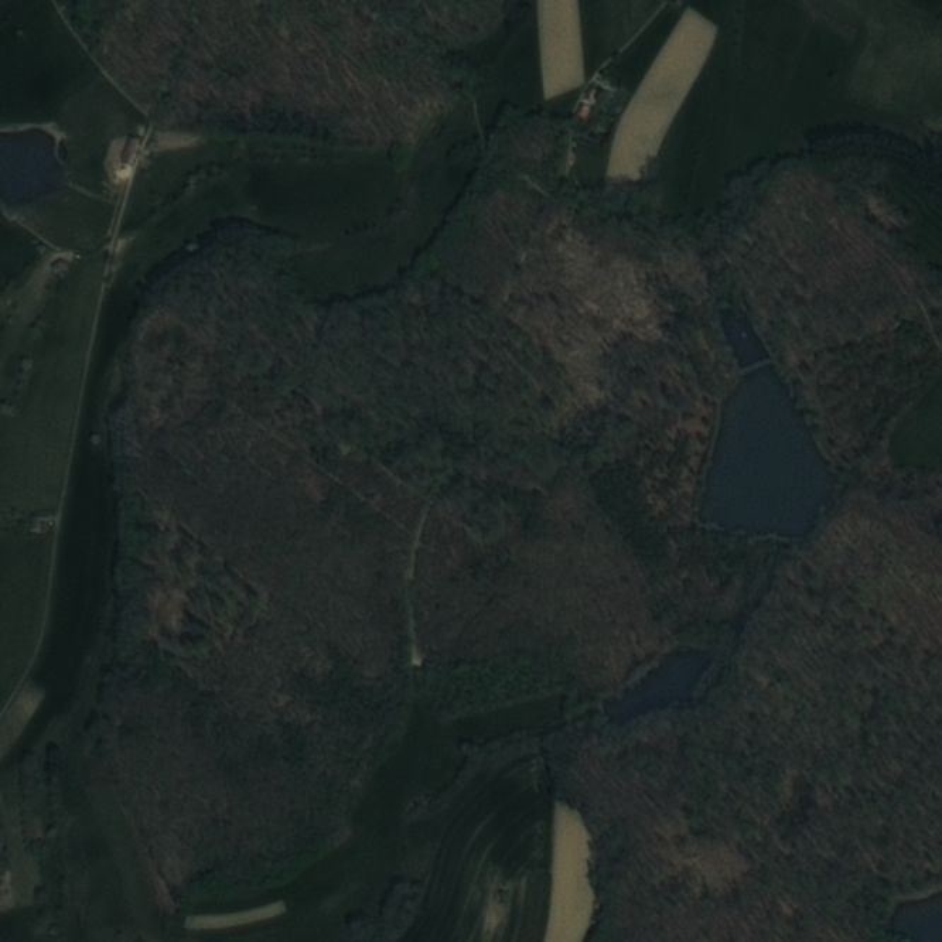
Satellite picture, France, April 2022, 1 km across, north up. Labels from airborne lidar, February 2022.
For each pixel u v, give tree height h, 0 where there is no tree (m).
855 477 10
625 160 0
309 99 22
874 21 0
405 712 9
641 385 23
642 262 0
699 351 29
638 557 11
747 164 0
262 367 30
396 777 0
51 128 0
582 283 0
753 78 0
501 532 31
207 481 11
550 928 0
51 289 10
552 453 25
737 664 19
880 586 0
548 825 0
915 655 21
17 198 0
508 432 26
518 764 0
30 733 0
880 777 30
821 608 26
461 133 0
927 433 0
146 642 6
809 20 0
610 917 20
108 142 0
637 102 0
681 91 0
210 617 9
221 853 20
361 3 26
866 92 0
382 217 0
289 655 8
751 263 24
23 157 0
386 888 0
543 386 28
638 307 0
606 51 0
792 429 0
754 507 0
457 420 31
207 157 0
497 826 0
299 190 0
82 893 0
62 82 0
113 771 12
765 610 23
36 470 0
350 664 10
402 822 0
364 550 11
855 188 24
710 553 11
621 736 29
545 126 19
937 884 23
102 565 0
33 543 0
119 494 17
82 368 0
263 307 26
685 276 0
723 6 0
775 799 27
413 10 28
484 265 15
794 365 27
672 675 0
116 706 24
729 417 0
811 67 0
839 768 27
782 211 20
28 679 0
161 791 15
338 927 0
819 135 0
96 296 0
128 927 0
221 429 12
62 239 0
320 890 0
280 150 6
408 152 16
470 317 28
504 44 0
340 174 0
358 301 11
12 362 0
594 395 0
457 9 30
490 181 16
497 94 0
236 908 0
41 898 15
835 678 30
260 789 11
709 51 0
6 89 0
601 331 22
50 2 0
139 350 0
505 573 10
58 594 0
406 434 23
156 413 0
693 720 28
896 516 24
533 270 0
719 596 10
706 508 0
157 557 0
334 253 0
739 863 0
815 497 0
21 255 0
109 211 0
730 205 11
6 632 0
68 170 0
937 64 0
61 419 0
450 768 0
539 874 0
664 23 0
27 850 6
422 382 32
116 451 19
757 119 0
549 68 0
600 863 15
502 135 19
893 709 28
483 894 0
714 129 0
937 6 0
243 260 29
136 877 0
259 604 27
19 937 0
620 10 0
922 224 0
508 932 0
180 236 0
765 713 28
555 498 19
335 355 29
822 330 30
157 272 0
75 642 0
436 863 0
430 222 0
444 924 0
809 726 22
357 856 0
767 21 0
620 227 29
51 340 0
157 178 0
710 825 25
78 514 0
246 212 0
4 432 0
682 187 0
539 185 17
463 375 27
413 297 31
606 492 8
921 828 29
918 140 0
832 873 28
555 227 24
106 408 0
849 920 24
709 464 12
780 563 20
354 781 10
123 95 0
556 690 12
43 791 21
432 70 23
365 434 30
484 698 14
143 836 11
